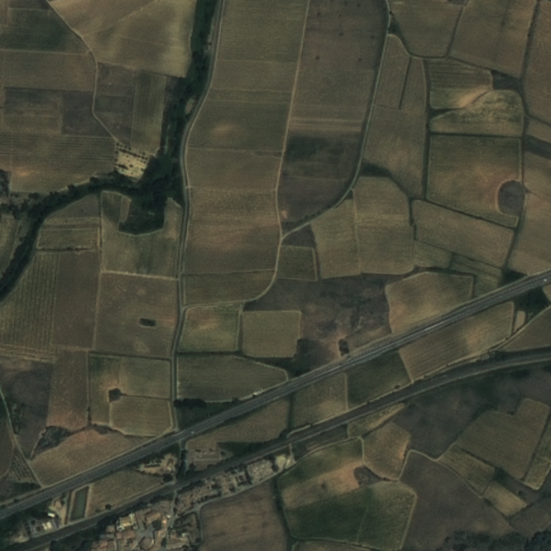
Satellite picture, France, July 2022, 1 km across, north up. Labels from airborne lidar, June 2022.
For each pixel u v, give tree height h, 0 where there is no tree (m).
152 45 0
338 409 0
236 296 0
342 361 0
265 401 0
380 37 0
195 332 0
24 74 0
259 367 0
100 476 0
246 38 0
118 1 0
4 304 0
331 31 0
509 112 0
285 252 0
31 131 0
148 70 0
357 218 0
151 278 0
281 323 0
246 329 0
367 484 0
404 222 0
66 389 0
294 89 0
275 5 0
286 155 0
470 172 0
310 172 0
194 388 0
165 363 0
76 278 0
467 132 0
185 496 0
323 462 0
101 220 0
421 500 0
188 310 0
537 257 0
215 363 0
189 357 0
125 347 0
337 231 0
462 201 0
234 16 0
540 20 0
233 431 0
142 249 0
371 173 0
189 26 0
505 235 0
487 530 0
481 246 0
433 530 0
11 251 0
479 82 0
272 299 0
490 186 0
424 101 0
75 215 0
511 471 0
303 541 0
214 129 0
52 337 0
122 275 0
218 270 0
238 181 0
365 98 0
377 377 0
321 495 0
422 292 0
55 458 0
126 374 0
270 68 0
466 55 0
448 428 0
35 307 0
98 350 0
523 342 0
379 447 0
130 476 0
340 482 0
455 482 0
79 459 0
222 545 0
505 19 0
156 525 11
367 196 0
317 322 0
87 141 0
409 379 0
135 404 0
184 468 9
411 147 0
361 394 0
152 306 0
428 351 0
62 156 0
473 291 0
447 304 0
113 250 0
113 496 0
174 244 0
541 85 0
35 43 0
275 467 11
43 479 0
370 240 0
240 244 0
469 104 0
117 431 0
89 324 0
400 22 0
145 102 0
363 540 0
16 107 0
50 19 0
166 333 0
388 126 0
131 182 6
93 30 0
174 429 0
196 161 0
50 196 7
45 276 0
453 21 0
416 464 0
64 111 0
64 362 0
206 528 0
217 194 0
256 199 0
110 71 0
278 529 0
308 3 0
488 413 0
